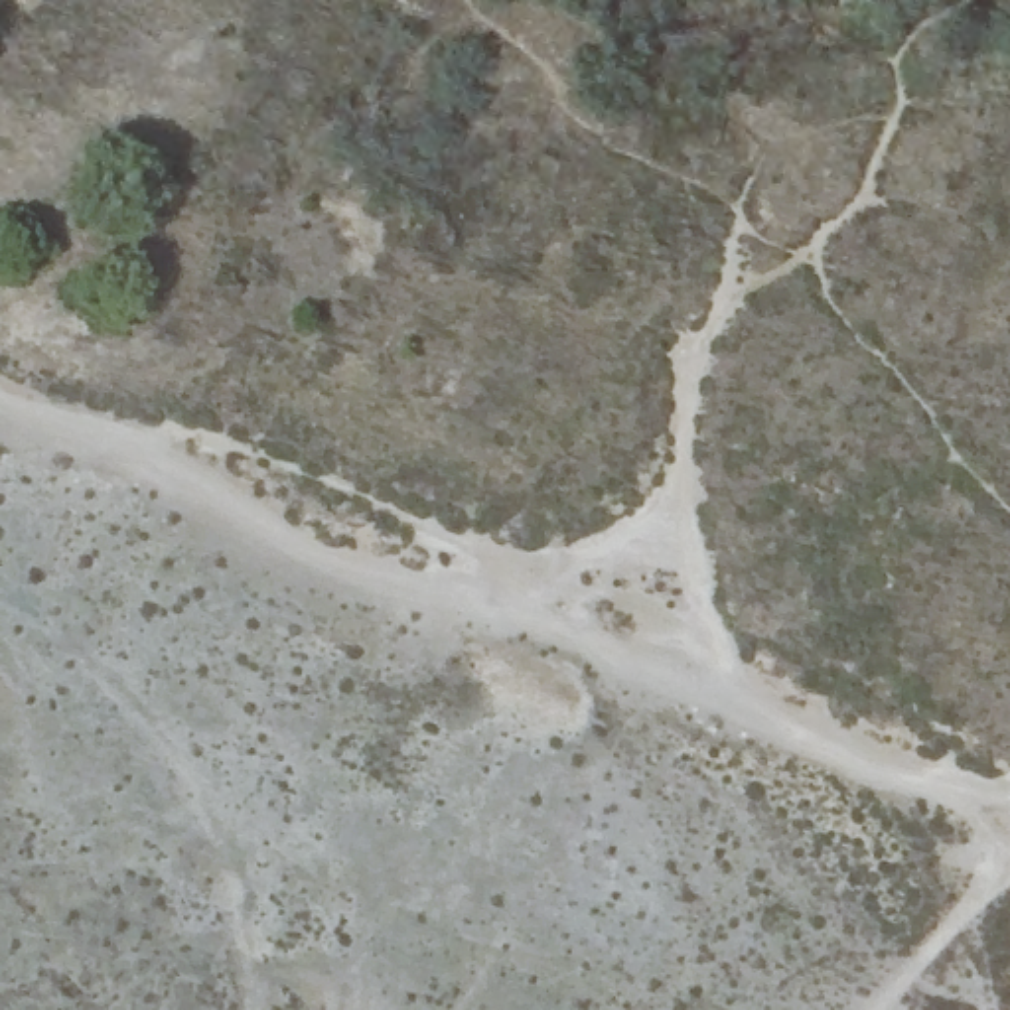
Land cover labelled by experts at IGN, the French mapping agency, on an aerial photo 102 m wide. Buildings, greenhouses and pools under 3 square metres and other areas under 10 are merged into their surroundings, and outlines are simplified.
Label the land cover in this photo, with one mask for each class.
<instances>
[{"label":"herbaceous vegetation","instance_id":"1","mask_svg":"<svg viewBox=\"0 0 1010 1010\"><path fill-rule=\"evenodd\" d=\"M473 28L493 32L501 39V67L489 114L473 118L466 134H442V154L426 158L418 154L414 122L406 118L414 107L430 99L426 55L446 36ZM608 36L604 24L564 8H533L521 0H0V197L43 201L59 209L71 241L28 288L0 292V391L12 383L32 387L55 402L87 406L142 426L181 422L229 434L233 442L225 454V473L245 493H253L256 501H280L288 525L312 529V537L327 548L395 556V564L410 572L426 568V544L414 533L426 517L450 533H485L493 537V544H513L529 552L544 544H576L584 537L612 529L615 521H627L667 481V469L675 462L671 351L683 331H698L710 320L714 288L722 284L726 241L742 249V268H773L789 260L797 249H805L813 233L825 221H832L860 189L844 181L852 162L840 138L844 118L801 126L793 122V103L785 99L754 103L750 95H730L734 122L726 130L702 134L698 142H683L686 166L651 158V150L639 138V122L596 118L568 91V83L576 79V47L600 43ZM118 122H126L130 138L154 146L158 154V162L142 174L146 209L154 217L150 233L142 237V253L154 272V292L146 308L154 316L130 339H103L87 327V320L63 312L55 288L67 272H79L114 249L107 233L83 225L67 181L71 166L83 162V146ZM710 375H702V406L694 414V466L702 477L698 529L714 564L718 619L734 635L742 663H750L754 655H773V675L797 683L785 706L805 710L817 694H825L840 726H856L864 718L903 722L919 738V758H955L959 769H971L978 777H998V761H1010V67L998 63L990 75H978L971 83L951 79L943 95H907V110L876 178V205L856 213L852 225H844L840 233H832L825 264H805L777 284L754 288L746 304L734 312L730 327L710 347ZM473 679L485 686L493 702L497 726L517 730L521 738H576L592 726V698H576L568 706L544 694L525 671L509 667L505 659H485L473 671ZM746 797L754 821L773 836L777 860H789L793 872L809 884L813 900L860 907L852 919H844V935H884L900 943L907 955H915V947L939 927V919L967 896L974 880L971 872L947 868L939 860V844H967L971 829L963 821H951L947 809L927 805L923 797L864 789L852 813L860 829L856 836H844L821 832L813 821L789 817V809L765 801V785H750ZM907 1010H1010V888L986 907L982 923L959 931L947 943V951L931 963V971L903 994Z\"/></svg>","mask_w":1010,"mask_h":1010},{"label":"bare soil","instance_id":"2","mask_svg":"<svg viewBox=\"0 0 1010 1010\"><path fill-rule=\"evenodd\" d=\"M907 110V83L896 87V103L884 114V130L876 138L860 189L832 221H825L813 233L805 249H797L789 260L773 268H742V249L726 241L722 284L714 288L710 320L698 331H683L671 351L675 462L667 469V481L627 521H615L612 529L584 537L576 544H544L529 552L513 544H493V537L485 533H450L426 517L414 533L426 544V568L410 572L395 564V556L327 548L312 537V529L288 525L280 501H256L253 493H245L225 473V454L233 442L229 434L181 422L142 426L87 406L55 402L32 387L12 383L0 391V1010H907L903 994L931 971V963L947 951V943L959 931L982 923L986 907L1010 888V761H998V777H978L971 769H959L955 758H919V738L903 722L864 718L856 726H840L825 694H817L805 710L785 706L797 683L773 675V655H754L750 663H742L734 635L718 619L714 564L698 529L702 477L694 466V414L702 406V375H710V347L730 327L734 312L746 304L754 288L777 284L805 264H825L832 233H840L844 225H852L856 213L876 205V178ZM485 659H505L509 667L525 671L544 694L568 706L576 698H592V726L576 738H521L517 730L497 726L493 702L485 686L473 679V671ZM750 785H765V801L789 809V817L813 821L821 832L844 836H856L860 829L852 813L864 789L923 797L927 805L947 809L951 821H963L971 829L967 844H939V860L947 868L971 872L974 880L967 896L939 919V927L915 947V955H907L900 943L884 935H844V919H852L860 907L813 900L809 884L793 872L789 860H777L773 836L754 821L746 797Z\"/></svg>","mask_w":1010,"mask_h":1010},{"label":"brushwood","instance_id":"3","mask_svg":"<svg viewBox=\"0 0 1010 1010\"><path fill-rule=\"evenodd\" d=\"M533 8H564L604 24L608 36L600 43L576 47V79L568 83V91L596 118L639 122V138L651 150V158L686 166L683 142H698L702 134L726 130L734 122L730 95H750L754 103L785 99L793 103V122L801 126L844 118L840 138L852 162L844 181L860 189L876 138L884 130V114L896 103V87L907 83V95H943L951 79L971 83L978 75H990L998 63L1010 67V0H521ZM501 67V39L493 32L473 28L446 36L426 55L430 99L414 107L406 118L414 122L418 154L426 158L442 154V134H466L473 118L489 114ZM158 162V154L154 146L130 138L126 122H118L83 146V162L71 166L67 181L83 225L107 233L114 249L79 272H67L55 288L63 312L87 320V327L103 339H130L154 316L146 308L154 292V272L142 253V237L150 233L154 217L146 209L142 174ZM71 241L59 209L43 201L0 197V292L28 288Z\"/></svg>","mask_w":1010,"mask_h":1010}]
</instances>
